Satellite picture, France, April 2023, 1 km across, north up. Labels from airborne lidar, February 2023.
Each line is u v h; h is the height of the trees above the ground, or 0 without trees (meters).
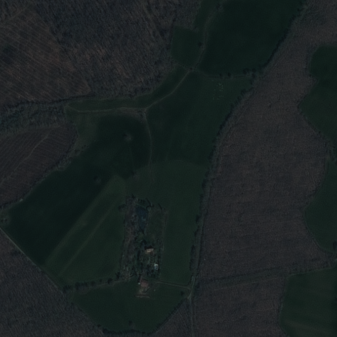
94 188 0
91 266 0
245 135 7
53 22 37
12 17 36
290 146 9
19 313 27
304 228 8
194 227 0
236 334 9
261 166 7
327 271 0
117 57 35
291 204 9
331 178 0
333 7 8
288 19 0
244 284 12
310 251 12
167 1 33
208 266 9
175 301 0
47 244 0
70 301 23
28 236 0
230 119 17
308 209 0
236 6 0
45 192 0
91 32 37
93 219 0
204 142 0
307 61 12
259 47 0
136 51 35
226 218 7
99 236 0
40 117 12
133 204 13
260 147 10
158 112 0
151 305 0
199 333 10
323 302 0
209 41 0
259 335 9
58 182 0
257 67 0
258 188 8
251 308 9
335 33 9
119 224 0
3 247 19
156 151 0
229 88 0
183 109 0
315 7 7
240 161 8
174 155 0
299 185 8
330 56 0
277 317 9
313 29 7
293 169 8
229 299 8
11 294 24
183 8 15
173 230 0
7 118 12
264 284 10
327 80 0
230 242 6
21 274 19
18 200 7
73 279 0
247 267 11
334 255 8
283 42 11
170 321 16
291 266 13
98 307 0
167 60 18
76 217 0
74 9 38
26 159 0
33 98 0
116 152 0
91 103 0
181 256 0
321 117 0
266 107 10
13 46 0
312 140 8
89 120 0
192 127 0
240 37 0
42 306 25
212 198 9
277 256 10
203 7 0
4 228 0
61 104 21
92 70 31
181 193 0
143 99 0
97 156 0
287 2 0
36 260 0
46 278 21
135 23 38
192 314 14
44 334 26
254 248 8
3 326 25
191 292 0
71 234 0
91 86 29
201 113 0
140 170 0
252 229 9
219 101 0
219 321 10
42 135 0
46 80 0
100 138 0
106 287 0
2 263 20
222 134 10
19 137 0
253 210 9
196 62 0
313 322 0
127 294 0
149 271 11
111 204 0
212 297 11
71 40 33
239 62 0
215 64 0
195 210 0
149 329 0
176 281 0
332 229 0
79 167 0
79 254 0
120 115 0
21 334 25
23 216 0
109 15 37
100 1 38
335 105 0
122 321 0
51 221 0
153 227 0
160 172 0
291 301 0
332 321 0
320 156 8
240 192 9
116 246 0
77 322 24
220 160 12
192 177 0
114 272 0
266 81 7
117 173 0
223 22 0
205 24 0
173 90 0
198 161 0
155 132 0
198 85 0
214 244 9
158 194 0
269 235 9
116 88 33
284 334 6
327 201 0
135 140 0
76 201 0
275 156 9
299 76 9
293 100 8
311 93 0
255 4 0
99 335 22
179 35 0
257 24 0
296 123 7
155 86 27
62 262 0
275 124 9
